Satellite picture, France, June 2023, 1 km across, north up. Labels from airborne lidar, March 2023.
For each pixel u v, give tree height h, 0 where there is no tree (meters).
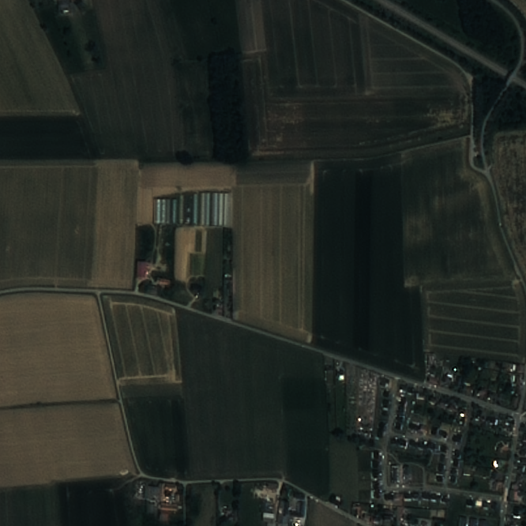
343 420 0
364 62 0
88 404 0
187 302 0
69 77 0
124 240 0
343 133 0
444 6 0
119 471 0
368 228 0
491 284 0
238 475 0
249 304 0
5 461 0
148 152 0
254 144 0
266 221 0
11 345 0
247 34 0
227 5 0
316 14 0
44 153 0
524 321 0
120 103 0
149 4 0
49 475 0
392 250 0
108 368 0
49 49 0
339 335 0
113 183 0
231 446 0
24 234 0
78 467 0
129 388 0
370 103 0
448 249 0
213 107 20
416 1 0
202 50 0
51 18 0
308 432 0
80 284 0
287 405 0
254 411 0
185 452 0
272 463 0
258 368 0
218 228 0
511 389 11
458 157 0
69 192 0
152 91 0
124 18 0
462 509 0
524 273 0
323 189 0
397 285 0
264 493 0
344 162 0
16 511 0
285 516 0
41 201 0
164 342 0
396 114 0
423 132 0
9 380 0
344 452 0
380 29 0
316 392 0
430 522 0
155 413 0
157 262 0
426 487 0
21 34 0
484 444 0
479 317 0
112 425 0
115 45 0
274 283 0
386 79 0
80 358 0
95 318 0
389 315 0
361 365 0
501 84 11
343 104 0
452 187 0
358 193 0
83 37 0
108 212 0
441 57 0
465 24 24
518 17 18
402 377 0
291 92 0
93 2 0
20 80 0
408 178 0
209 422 0
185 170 0
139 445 0
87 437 0
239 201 0
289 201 0
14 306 0
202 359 0
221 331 0
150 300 0
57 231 0
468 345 0
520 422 0
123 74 0
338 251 0
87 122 0
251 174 0
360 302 0
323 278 0
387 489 0
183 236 0
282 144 0
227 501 0
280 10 0
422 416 0
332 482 0
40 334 0
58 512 0
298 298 0
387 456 0
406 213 0
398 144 0
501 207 0
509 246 0
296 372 0
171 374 0
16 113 0
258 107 0
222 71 20
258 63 0
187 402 0
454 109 0
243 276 0
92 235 0
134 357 0
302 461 0
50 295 0
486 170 0
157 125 0
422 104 0
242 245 0
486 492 0
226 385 0
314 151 0
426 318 0
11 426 0
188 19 0
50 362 0
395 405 0
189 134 0
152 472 0
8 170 0
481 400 0
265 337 0
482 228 0
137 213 0
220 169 0
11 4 0
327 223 0
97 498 0
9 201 0
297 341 0
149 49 0
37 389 0
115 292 0
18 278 0
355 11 0
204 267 0
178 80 0
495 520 0
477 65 0
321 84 0
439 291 0
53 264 0
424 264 0
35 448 0
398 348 0
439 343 0
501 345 0
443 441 0
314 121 0
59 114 0
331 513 0
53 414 0
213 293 0
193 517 0
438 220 0
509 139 0
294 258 0
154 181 0
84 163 0
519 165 0
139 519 0
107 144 0
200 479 0
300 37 0
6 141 0
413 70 0
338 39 0
